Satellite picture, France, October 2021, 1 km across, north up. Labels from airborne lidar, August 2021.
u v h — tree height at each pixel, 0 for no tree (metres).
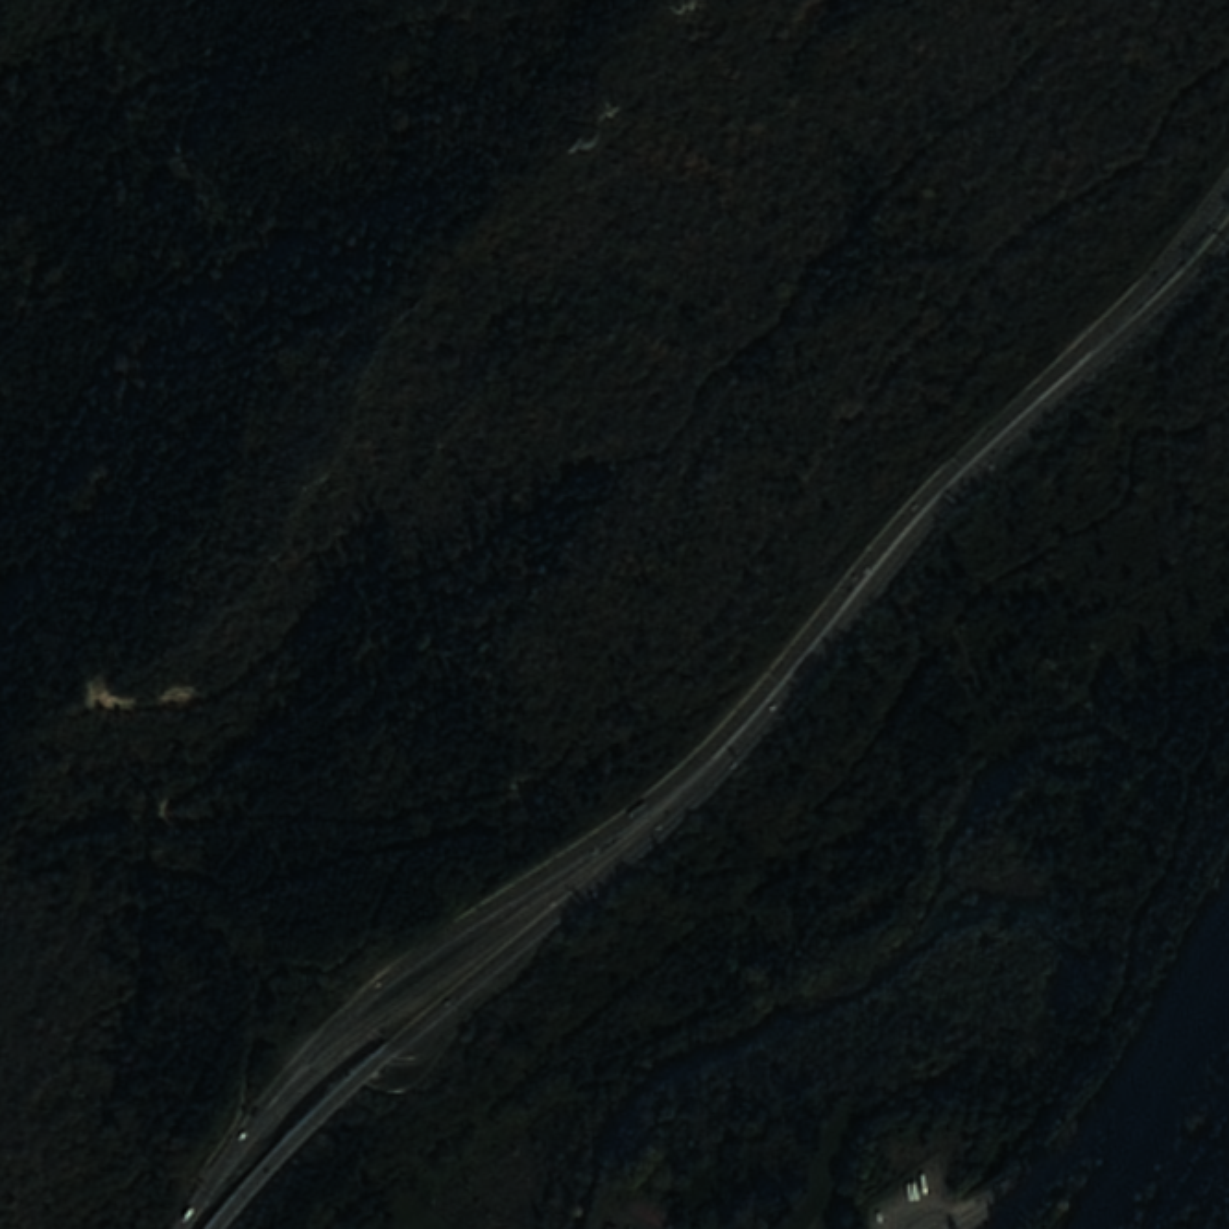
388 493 13
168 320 27
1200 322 17
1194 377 16
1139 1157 14
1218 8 16
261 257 34
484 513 7
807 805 22
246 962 15
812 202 13
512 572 18
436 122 25
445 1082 14
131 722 13
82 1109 17
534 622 9
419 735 18
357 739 17
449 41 18
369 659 9
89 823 20
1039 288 19
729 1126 23
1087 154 15
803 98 15
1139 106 20
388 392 10
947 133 17
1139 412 11
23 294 16
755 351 18
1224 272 13
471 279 19
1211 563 10
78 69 23
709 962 27
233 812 9
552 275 17
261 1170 0
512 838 17
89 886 15
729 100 13
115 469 27
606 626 13
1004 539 14
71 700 15
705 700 9
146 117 24
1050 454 8
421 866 31
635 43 12
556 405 15
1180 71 17
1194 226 0
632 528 15
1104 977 18
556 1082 29
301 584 10
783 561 21
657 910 21
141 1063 26
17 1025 11
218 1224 0
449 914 14
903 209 24
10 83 20
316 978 15
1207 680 21
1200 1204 21
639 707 9
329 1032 0
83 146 26
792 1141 8
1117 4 15
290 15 28
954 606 9
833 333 11
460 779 24
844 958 8
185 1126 23
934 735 28
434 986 0
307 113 27
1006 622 10
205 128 30
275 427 14
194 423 8
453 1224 0
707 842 16
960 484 0
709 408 12
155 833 20
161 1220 14
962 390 17
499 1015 19
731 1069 14
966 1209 0
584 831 6
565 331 12
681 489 12
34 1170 8
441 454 13
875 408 16
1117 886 13
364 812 7
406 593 15
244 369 21
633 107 18
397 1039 0
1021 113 14
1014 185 14
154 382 32
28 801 20
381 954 7
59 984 17
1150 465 9
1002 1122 9
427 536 11
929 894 7
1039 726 7
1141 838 9
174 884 20
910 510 0
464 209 19
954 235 16
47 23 12
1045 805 10
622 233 9
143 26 27
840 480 14
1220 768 9
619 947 17
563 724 14
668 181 7
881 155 14
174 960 20
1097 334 0
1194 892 10
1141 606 10
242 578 6
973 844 17
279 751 26
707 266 14
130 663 25
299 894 24
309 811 23
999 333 17
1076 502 6
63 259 22
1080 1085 14
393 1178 9
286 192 20
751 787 15
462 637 30
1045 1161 0
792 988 18
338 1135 24
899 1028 18
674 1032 6
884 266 13
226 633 13
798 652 0
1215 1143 17
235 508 7
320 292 32
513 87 28
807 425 10
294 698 14
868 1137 11
